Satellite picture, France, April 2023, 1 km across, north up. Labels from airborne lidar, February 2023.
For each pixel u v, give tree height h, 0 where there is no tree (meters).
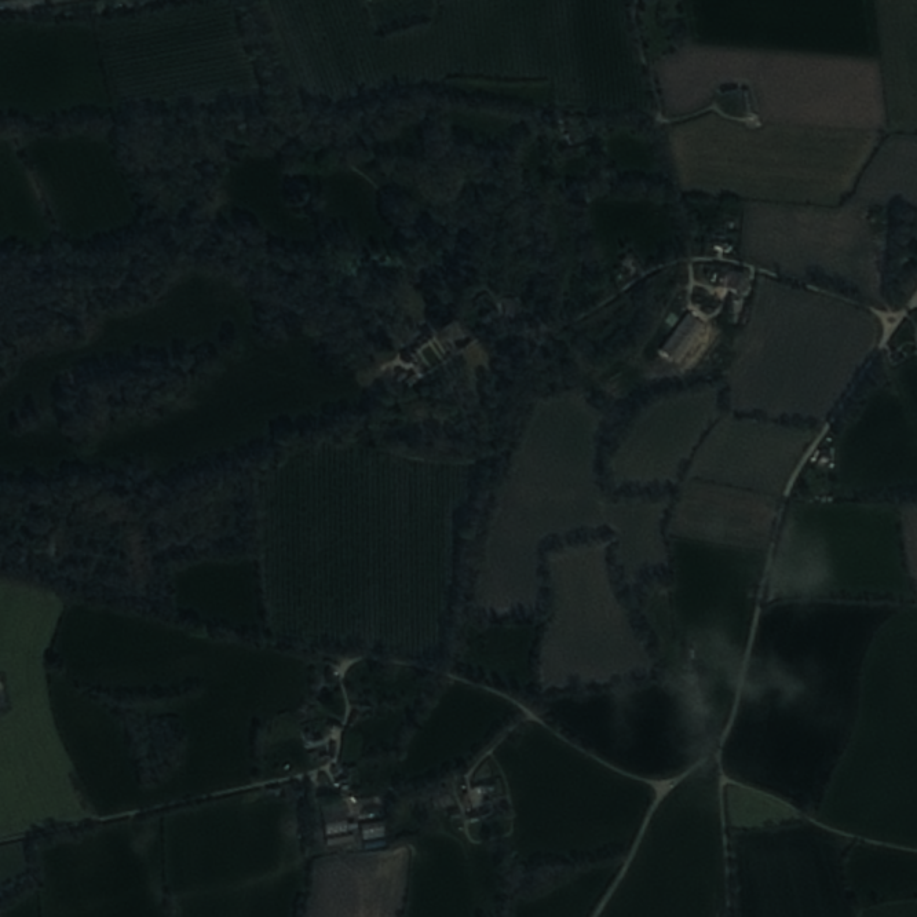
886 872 0
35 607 0
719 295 0
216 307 0
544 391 20
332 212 0
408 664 8
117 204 0
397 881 0
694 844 0
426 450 26
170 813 7
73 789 0
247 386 0
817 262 0
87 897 0
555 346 11
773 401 0
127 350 0
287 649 15
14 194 0
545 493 0
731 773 0
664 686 15
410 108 19
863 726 0
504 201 23
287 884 0
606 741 0
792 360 0
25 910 0
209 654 0
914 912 0
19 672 0
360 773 0
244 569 0
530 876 7
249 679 0
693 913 0
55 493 19
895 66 0
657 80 6
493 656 0
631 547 0
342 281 28
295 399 0
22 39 0
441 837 0
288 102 31
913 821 0
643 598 14
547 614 14
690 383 17
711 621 0
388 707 8
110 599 18
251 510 21
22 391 0
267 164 0
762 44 0
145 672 0
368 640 6
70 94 0
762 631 0
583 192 18
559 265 18
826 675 0
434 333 29
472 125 0
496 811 10
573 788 0
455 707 0
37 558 6
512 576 0
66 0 0
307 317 26
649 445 0
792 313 0
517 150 24
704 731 21
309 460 6
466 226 26
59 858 0
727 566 0
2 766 0
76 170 0
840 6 0
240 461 18
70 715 0
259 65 26
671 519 7
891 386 7
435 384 25
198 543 15
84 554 7
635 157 0
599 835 0
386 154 26
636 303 13
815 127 0
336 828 0
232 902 0
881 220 0
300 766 0
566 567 0
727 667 0
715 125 0
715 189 0
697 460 0
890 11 0
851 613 0
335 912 0
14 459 0
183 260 23
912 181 0
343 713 0
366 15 7
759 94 0
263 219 0
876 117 0
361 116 19
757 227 0
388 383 20
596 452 16
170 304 0
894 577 0
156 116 23
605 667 0
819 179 0
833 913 0
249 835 0
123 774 0
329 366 7
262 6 20
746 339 0
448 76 8
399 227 21
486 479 24
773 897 0
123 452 0
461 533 25
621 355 12
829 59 0
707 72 0
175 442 0
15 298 25
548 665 0
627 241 8
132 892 0
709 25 0
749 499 0
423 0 0
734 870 6
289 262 28
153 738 12
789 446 0
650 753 0
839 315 0
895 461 0
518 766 0
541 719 8
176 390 31
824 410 0
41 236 0
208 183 26
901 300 18
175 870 0
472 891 0
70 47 0
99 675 0
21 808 0
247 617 0
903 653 0
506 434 23
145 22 5
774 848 0
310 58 5
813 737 0
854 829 0
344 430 25
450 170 27
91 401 29
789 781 0
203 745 0
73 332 23
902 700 0
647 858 0
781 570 0
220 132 24
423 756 0
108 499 23
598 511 0
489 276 19
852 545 0
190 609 0
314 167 22
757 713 0
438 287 24
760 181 0
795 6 0
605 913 0
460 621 17
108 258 26
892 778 0
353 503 6
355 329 26
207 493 20
